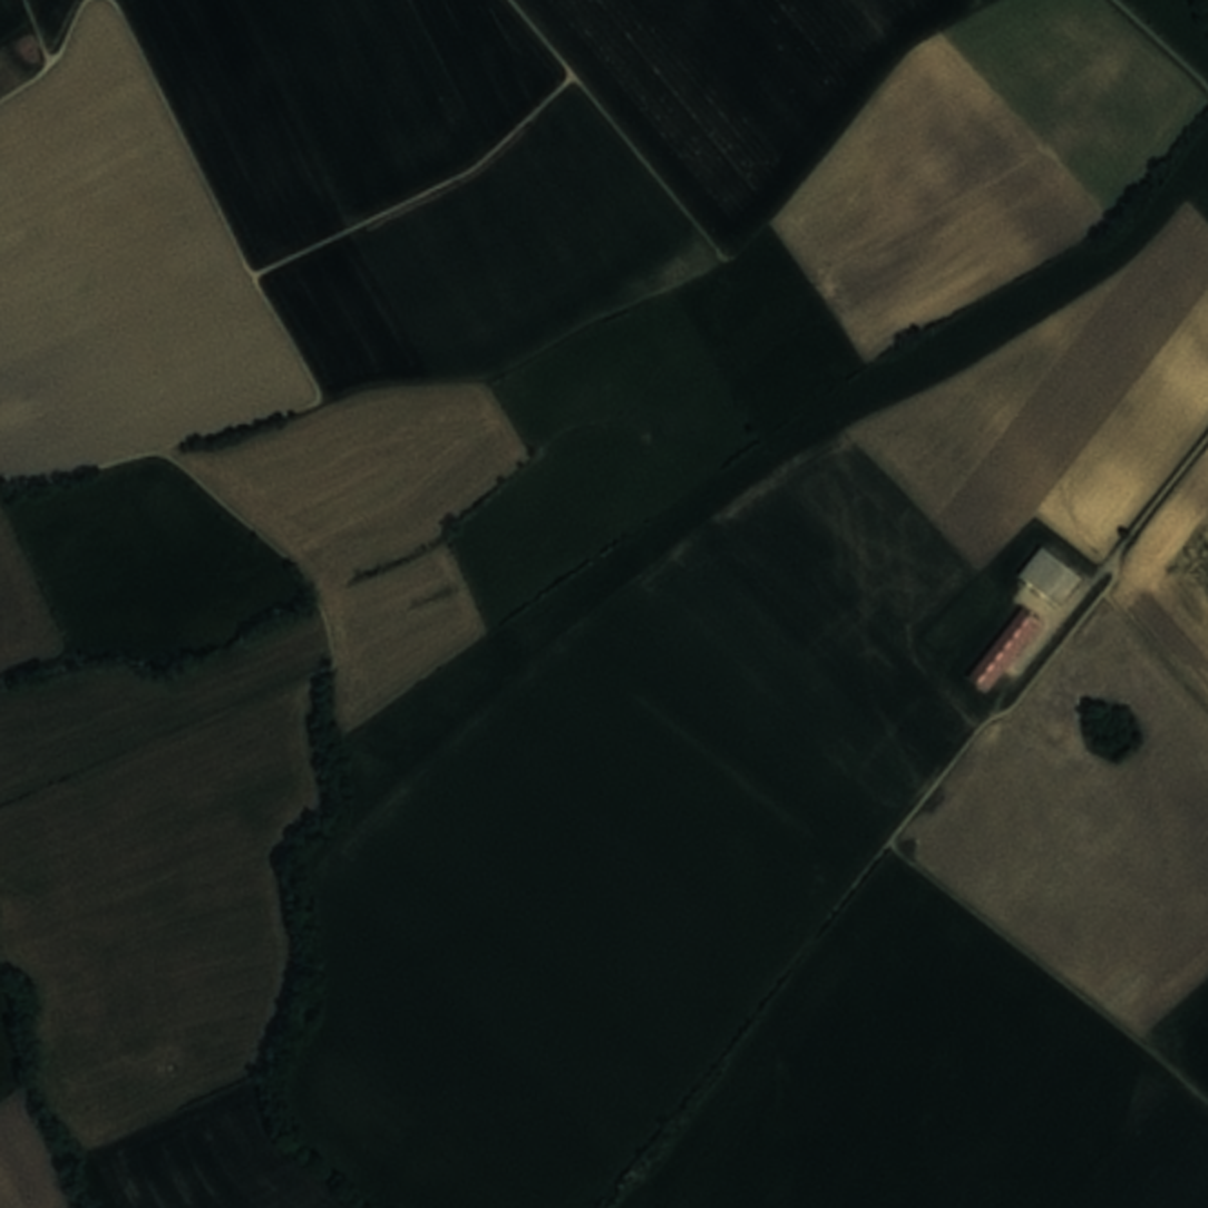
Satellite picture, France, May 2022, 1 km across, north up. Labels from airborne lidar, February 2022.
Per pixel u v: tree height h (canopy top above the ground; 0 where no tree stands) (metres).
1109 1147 0
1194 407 0
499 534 0
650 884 0
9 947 0
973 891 0
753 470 0
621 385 0
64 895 0
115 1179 0
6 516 0
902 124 0
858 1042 0
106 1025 0
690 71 0
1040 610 0
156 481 0
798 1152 0
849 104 0
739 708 0
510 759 0
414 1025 0
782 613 0
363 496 0
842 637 0
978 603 0
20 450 0
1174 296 0
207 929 0
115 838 0
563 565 0
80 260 0
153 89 0
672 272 0
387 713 0
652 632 0
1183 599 0
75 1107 0
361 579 10
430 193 0
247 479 0
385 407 0
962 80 0
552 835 0
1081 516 0
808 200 0
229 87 0
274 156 0
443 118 0
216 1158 0
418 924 0
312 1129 0
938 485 0
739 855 0
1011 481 0
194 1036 0
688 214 0
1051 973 0
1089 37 0
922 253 0
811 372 0
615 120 0
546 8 0
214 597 0
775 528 0
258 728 0
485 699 0
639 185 0
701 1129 0
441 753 0
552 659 0
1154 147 0
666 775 0
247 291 0
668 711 0
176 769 0
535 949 0
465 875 0
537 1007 0
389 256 0
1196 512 0
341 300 0
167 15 0
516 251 0
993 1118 0
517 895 0
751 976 0
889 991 0
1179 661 0
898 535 0
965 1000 0
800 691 0
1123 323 0
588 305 0
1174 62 0
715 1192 0
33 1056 23
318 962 15
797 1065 0
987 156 0
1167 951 0
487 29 0
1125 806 0
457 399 0
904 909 0
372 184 0
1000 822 0
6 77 0
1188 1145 0
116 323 0
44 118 0
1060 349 0
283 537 0
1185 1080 0
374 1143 0
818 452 0
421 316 0
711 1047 0
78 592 0
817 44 0
